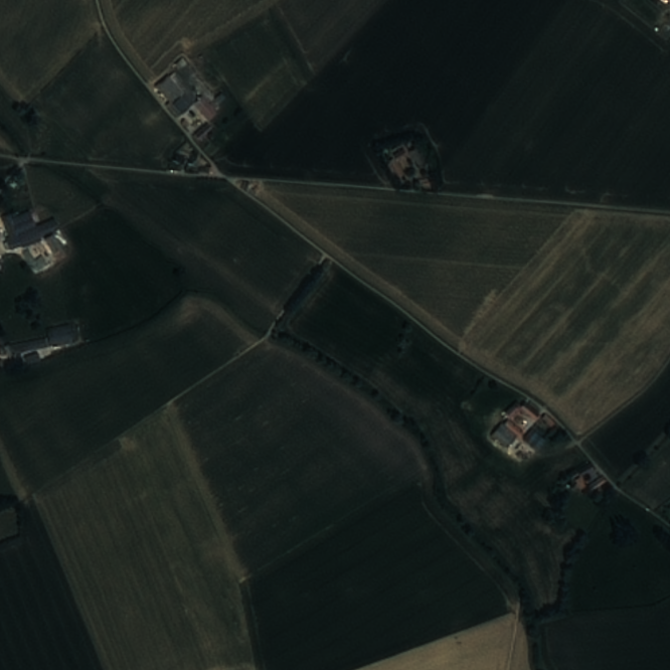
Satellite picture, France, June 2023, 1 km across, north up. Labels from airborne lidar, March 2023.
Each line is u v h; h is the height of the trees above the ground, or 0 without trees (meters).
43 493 0
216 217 0
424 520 0
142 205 0
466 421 0
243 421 0
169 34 0
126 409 0
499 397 0
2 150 0
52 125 0
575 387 0
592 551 0
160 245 0
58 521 0
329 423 0
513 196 0
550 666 0
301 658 0
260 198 0
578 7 0
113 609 0
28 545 0
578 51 0
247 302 0
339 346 0
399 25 0
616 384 0
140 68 0
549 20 0
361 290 0
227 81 0
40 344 0
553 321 0
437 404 0
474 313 0
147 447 0
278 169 0
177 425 0
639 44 0
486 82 0
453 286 0
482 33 0
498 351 0
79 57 0
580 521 0
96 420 0
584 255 0
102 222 0
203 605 0
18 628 0
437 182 9
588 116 0
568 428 0
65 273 0
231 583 0
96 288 0
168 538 0
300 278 0
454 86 0
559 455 0
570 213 0
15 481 0
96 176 0
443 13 0
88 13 0
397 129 0
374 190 0
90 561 0
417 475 0
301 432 0
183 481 0
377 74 0
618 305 0
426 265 0
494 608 0
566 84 0
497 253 0
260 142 0
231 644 0
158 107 0
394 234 0
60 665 0
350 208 0
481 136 0
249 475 0
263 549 0
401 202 0
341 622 0
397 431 0
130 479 0
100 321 0
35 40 0
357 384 13
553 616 17
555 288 0
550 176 0
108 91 0
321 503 0
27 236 0
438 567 0
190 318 0
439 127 0
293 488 0
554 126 0
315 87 0
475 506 0
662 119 0
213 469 0
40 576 0
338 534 0
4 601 0
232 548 0
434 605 0
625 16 0
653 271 0
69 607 0
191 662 0
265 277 0
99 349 0
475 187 0
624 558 0
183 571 0
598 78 0
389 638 0
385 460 0
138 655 0
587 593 0
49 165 0
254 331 0
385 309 0
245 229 0
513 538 0
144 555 0
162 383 0
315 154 0
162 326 0
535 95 0
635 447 0
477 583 0
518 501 0
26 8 0
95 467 0
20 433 0
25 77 0
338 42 0
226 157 0
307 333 0
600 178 0
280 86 0
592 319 0
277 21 0
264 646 0
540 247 0
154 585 0
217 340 0
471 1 0
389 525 0
